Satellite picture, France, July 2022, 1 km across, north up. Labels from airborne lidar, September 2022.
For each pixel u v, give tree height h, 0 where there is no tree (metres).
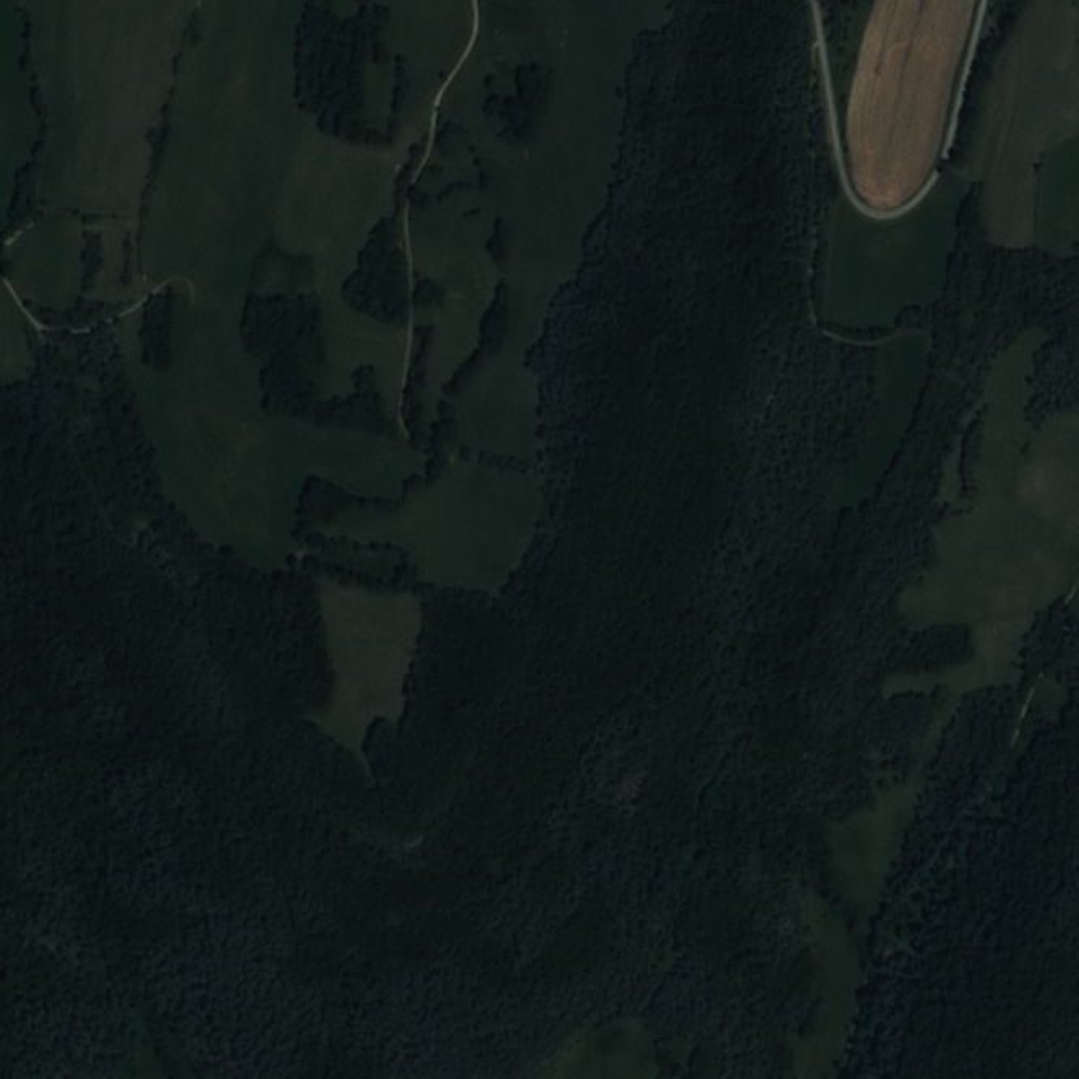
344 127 19
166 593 11
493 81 16
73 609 19
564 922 17
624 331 15
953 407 10
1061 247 0
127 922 18
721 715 21
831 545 17
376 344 0
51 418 17
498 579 0
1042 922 11
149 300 9
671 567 20
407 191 8
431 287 10
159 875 16
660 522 16
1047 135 0
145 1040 7
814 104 10
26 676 21
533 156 0
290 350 16
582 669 15
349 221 0
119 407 10
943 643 11
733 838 19
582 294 10
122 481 11
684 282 14
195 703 12
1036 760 14
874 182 0
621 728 19
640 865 22
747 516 15
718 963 13
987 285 10
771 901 8
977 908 15
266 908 17
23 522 21
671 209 13
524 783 12
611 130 0
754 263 18
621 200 14
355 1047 24
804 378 14
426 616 8
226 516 0
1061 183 0
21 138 0
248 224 0
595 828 21
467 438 0
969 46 0
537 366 12
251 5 0
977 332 12
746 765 23
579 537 14
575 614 17
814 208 9
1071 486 0
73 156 0
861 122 0
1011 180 0
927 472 6
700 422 16
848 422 12
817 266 12
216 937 21
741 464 16
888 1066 25
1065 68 0
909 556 15
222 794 11
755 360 15
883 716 16
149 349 11
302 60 13
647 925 23
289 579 17
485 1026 23
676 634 15
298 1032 15
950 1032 16
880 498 9
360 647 0
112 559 8
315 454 0
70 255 0
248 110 0
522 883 19
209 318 0
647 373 17
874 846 0
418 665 10
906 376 0
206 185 0
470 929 16
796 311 16
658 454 13
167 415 0
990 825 21
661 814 19
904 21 0
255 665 13
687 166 10
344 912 13
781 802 18
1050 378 11
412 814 10
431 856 19
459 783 9
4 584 20
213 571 14
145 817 21
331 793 12
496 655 8
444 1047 15
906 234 0
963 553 0
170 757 18
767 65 15
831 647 11
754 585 19
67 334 13
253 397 0
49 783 15
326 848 11
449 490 0
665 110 6
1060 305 12
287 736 16
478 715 11
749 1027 14
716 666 23
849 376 11
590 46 0
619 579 13
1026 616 0
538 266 0
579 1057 0
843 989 0
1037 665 10
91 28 0
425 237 0
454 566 0
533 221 0
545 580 18
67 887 21
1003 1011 11
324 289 0
